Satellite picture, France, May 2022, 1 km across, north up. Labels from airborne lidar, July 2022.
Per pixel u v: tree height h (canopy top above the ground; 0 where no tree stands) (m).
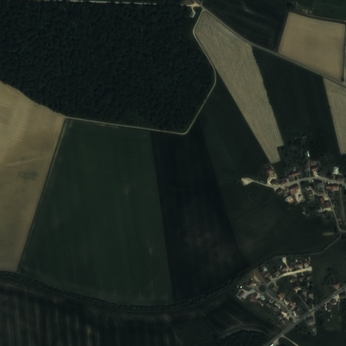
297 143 16
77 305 0
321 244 0
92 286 0
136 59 19
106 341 0
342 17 0
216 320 0
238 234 0
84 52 24
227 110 0
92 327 0
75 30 24
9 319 0
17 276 9
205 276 0
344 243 0
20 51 22
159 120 22
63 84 25
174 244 0
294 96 0
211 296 12
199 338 0
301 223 0
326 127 0
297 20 0
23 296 0
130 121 6
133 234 0
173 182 0
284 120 0
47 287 8
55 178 0
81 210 0
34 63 26
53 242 0
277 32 0
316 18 0
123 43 27
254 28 0
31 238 0
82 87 24
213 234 0
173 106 29
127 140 0
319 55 0
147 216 0
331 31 0
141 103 18
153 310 12
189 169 0
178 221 0
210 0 0
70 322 0
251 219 0
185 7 11
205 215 0
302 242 0
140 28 9
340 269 0
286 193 0
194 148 0
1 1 23
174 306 11
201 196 0
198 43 0
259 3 0
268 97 6
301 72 0
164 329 0
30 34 27
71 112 18
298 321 0
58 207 0
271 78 0
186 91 25
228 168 0
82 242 0
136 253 0
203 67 25
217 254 0
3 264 0
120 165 0
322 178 0
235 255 0
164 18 24
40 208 0
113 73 26
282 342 0
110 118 23
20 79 24
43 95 28
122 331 0
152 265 0
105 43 25
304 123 0
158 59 27
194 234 0
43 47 23
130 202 0
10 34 10
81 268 0
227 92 0
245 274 12
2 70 25
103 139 0
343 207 0
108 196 0
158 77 26
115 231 0
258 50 0
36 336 0
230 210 0
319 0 0
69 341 0
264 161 0
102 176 0
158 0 13
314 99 0
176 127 23
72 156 0
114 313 0
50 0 0
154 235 0
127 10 25
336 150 0
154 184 0
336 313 0
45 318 0
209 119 0
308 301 11
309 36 0
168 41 26
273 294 0
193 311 0
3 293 0
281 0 0
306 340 0
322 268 0
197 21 0
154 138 0
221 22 0
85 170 0
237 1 0
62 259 0
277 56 0
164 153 0
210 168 0
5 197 0
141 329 0
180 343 0
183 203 0
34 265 0
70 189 0
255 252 0
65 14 24
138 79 26
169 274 0
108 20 30
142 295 0
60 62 13
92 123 0
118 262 0
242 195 0
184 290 0
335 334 0
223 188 0
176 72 25
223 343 19
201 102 25
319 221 0
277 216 0
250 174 0
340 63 0
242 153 0
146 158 0
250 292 0
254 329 0
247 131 0
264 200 0
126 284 0
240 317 0
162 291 0
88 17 17
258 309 0
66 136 0
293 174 0
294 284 5
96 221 0
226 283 9
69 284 0
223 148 0
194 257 0
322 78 0
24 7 24
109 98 23
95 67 23
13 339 0
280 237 0
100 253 0
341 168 7
